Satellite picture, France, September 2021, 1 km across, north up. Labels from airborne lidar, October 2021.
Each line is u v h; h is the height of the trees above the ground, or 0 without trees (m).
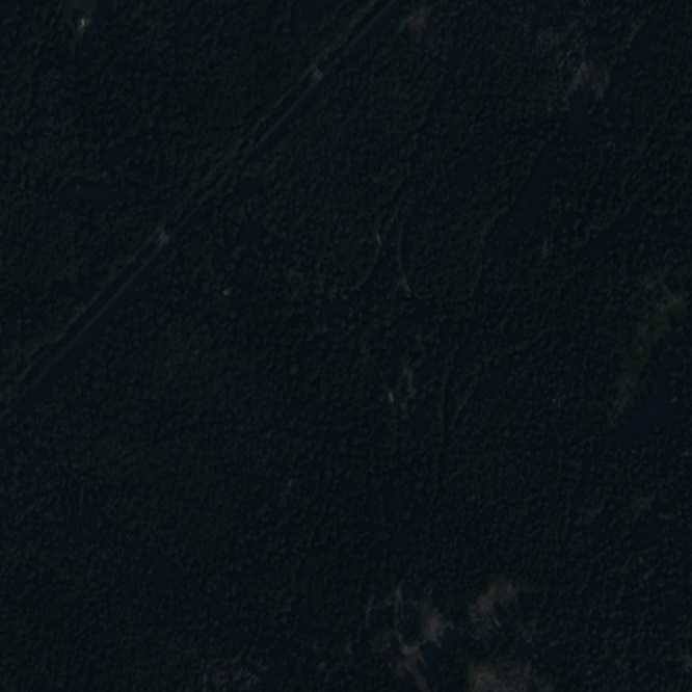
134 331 27
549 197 29
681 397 31
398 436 20
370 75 28
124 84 29
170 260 23
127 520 26
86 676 33
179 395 32
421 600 26
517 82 22
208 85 27
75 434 35
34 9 25
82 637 30
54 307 28
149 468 21
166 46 30
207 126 24
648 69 29
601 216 29
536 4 27
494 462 21
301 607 18
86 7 0
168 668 20
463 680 27
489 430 22
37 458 30
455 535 35
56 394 27
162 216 29
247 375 23
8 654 29
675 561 30
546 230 27
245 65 30
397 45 32
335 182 22
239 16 24
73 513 28
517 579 23
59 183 15
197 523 27
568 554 25
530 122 25
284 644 26
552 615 20
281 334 28
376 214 22
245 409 24
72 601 26
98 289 15
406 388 21
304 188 23
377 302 31
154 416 35
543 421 33
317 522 21
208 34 32
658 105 31
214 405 29
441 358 15
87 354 31
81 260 26
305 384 28
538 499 31
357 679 23
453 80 26
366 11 50
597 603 28
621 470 32
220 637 36
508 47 21
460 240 25
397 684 23
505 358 23
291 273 33
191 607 33
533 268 24
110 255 26
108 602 27
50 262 21
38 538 32
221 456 26
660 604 26
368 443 28
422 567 26
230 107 27
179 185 29
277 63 33
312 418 32
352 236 21
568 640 27
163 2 22
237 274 30
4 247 19
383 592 23
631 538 11
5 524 27
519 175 23
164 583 38
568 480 16
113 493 31
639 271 16
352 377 27
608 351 29
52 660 29
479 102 34
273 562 29
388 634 19
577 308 26
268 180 24
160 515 24
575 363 20
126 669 31
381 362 15
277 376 26
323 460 31
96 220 28
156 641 28
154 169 30
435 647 0
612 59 23
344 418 29
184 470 27
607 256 30
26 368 21
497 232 12
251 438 25
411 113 26
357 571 29
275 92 28
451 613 22
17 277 22
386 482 16
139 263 25
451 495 25
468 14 20
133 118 22
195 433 31
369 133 20
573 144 28
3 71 22
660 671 11
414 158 8
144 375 26
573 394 29
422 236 26
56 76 24
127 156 26
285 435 31
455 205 17
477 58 21
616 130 18
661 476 19
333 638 17
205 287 25
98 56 19
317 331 27
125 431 30
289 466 25
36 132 21
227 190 26
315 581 21
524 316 23
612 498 24
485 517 26
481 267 20
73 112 32
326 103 26
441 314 27
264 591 25
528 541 28
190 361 26
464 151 17
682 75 24
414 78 26
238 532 34
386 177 29
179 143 30
